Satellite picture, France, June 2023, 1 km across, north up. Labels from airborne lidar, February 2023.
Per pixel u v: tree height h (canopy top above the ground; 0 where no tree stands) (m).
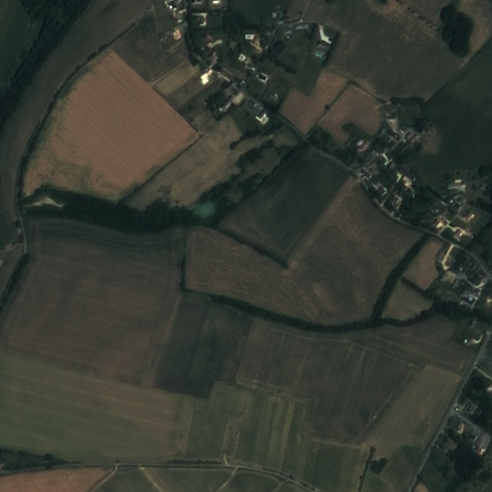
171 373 0
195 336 0
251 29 10
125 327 0
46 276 0
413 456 0
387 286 6
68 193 7
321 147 7
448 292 0
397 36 0
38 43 12
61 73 0
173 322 0
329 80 0
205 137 0
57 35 15
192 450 0
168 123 0
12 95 10
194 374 0
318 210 0
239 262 0
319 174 0
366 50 0
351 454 0
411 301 0
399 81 0
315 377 0
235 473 0
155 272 0
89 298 0
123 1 0
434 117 0
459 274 0
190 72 0
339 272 0
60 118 0
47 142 0
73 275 0
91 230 0
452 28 17
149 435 0
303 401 0
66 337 0
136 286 0
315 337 0
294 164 0
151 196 0
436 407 0
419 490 0
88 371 0
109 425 0
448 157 0
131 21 0
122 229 7
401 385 0
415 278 0
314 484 0
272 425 0
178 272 0
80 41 0
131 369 0
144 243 0
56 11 16
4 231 0
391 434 0
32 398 0
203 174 0
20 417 0
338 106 0
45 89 0
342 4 0
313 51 0
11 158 0
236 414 0
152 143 0
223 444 0
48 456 11
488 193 13
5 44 0
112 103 0
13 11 0
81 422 0
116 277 0
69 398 0
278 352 0
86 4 10
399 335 0
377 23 0
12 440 0
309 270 0
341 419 0
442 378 0
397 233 0
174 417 0
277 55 14
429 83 0
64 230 0
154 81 0
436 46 0
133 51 0
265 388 0
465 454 11
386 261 0
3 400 0
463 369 0
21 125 0
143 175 0
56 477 0
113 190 0
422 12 0
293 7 0
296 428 0
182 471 0
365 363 0
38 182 0
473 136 0
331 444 0
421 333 0
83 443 0
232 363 0
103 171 0
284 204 0
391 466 0
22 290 0
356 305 0
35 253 0
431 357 0
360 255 0
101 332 0
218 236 0
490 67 0
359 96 0
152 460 0
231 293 0
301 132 0
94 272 0
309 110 0
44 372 0
